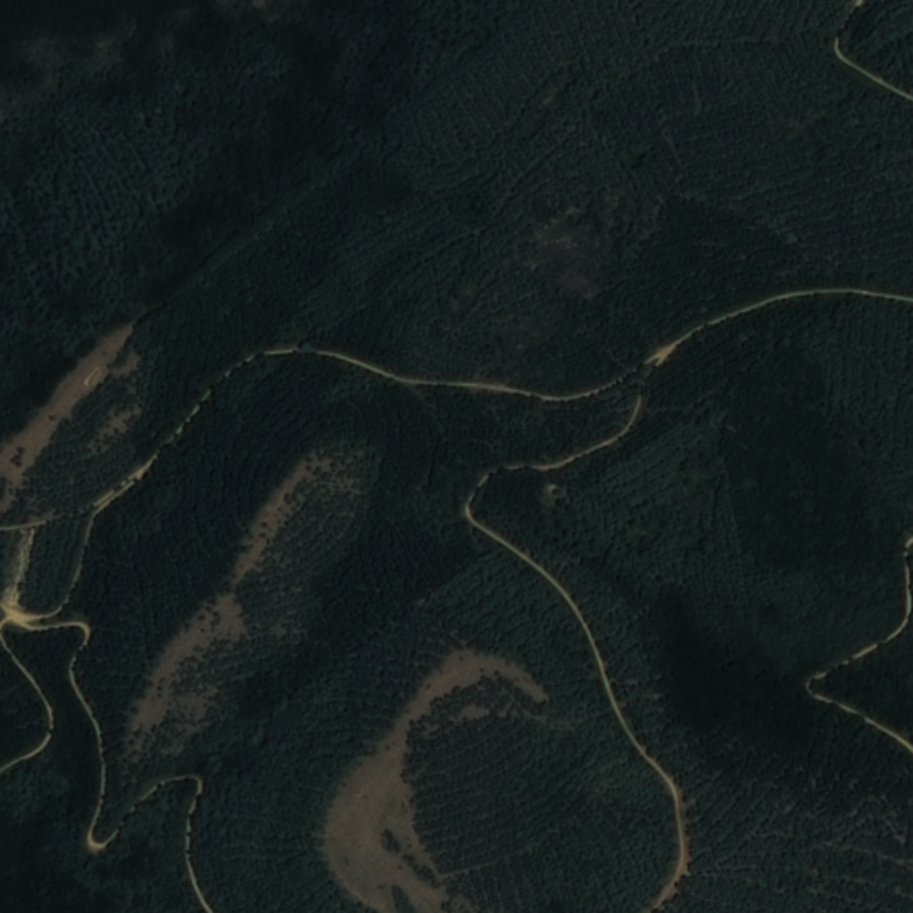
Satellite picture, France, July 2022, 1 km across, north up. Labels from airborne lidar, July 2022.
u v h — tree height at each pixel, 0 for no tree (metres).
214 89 13
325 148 15
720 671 26
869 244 12
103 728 12
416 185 8
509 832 8
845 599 10
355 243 12
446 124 15
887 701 24
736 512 13
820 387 18
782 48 10
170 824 15
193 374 15
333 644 12
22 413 13
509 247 15
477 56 12
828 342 17
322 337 11
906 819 15
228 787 12
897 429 20
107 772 9
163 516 10
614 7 14
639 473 13
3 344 19
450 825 8
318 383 11
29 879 19
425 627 10
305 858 14
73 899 10
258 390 14
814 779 15
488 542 9
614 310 7
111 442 10
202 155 14
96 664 14
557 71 10
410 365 14
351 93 11
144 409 11
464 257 11
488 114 14
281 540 10
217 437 13
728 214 11
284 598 10
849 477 14
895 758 15
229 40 14
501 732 9
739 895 16
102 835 9
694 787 17
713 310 12
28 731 13
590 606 14
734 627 17
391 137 13
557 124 13
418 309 16
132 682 14
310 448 12
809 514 18
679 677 26
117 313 12
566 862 11
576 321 6
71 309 11
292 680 13
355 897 0
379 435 16
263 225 14
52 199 21
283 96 17
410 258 16
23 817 13
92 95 10
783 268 12
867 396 20
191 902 10
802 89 13
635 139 13
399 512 8
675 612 20
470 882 6
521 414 10
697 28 12
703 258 13
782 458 17
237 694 14
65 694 17
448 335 14
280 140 21
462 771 7
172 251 12
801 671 18
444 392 11
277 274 8
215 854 14
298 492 7
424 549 13
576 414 13
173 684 6
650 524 13
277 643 11
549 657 15
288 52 15
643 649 17
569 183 10
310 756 12
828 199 10
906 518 12
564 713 9
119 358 10
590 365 10
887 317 15
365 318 17
